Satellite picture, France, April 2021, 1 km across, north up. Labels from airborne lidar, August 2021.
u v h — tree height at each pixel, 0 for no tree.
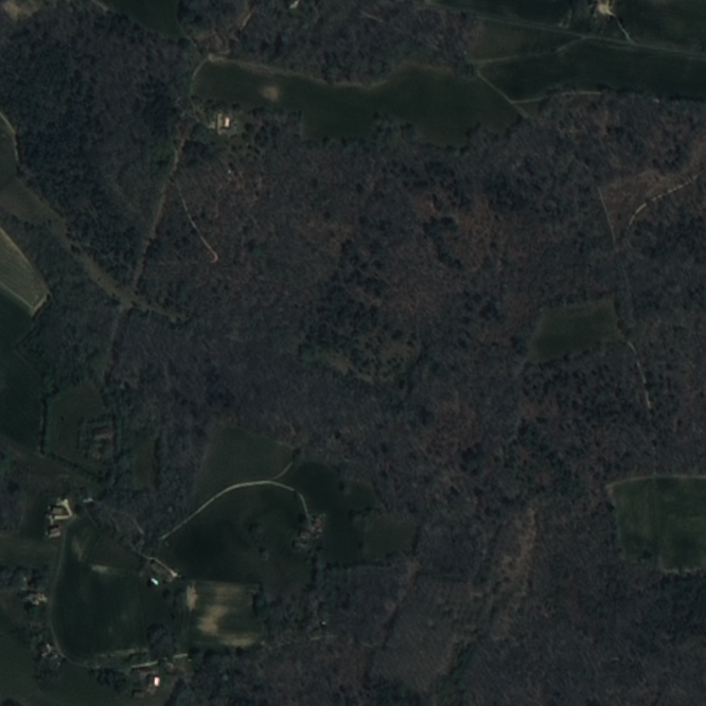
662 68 0
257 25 10
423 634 14
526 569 7
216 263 7
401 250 12
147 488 0
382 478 11
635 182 0
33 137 20
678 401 10
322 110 0
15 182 0
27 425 0
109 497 16
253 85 0
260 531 13
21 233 20
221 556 0
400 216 12
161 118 20
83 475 14
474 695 17
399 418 23
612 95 17
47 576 10
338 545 0
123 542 18
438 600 7
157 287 10
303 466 0
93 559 0
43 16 13
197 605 0
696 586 16
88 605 0
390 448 9
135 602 0
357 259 13
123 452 8
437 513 18
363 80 19
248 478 0
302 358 20
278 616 17
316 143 7
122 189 22
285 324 13
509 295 11
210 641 0
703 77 0
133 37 11
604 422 11
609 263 14
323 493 0
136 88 10
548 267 6
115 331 19
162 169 17
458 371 17
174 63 11
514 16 0
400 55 18
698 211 14
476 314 14
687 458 16
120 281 8
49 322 13
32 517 0
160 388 20
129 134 13
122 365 22
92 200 18
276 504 0
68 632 0
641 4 0
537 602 6
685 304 14
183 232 6
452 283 11
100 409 0
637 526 0
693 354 11
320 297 13
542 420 7
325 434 15
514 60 0
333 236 14
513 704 15
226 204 8
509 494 11
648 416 10
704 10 0
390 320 14
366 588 10
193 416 16
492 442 12
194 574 0
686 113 15
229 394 13
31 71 18
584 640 13
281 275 19
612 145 12
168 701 0
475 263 9
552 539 7
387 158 12
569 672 8
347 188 11
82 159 19
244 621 0
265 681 10
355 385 12
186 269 10
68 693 0
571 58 0
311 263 11
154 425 15
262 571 0
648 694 6
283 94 0
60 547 0
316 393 16
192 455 20
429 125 0
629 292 13
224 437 0
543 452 13
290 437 16
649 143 13
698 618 16
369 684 17
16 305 0
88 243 15
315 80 8
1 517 19
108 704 0
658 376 10
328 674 7
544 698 13
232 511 0
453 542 15
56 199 15
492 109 0
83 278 20
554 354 0
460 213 24
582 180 15
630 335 21
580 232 10
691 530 0
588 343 0
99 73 11
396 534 0
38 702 0
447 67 14
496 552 12
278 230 12
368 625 13
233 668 16
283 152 12
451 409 15
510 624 7
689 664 18
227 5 18
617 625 16
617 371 10
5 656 0
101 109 7
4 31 15
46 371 9
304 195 7
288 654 12
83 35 12
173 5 0
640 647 14
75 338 22
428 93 0
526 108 0
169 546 10
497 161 13
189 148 14
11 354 0
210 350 15
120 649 0
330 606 6
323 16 18
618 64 0
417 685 16
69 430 0
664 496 0
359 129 0
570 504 6
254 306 9
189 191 9
